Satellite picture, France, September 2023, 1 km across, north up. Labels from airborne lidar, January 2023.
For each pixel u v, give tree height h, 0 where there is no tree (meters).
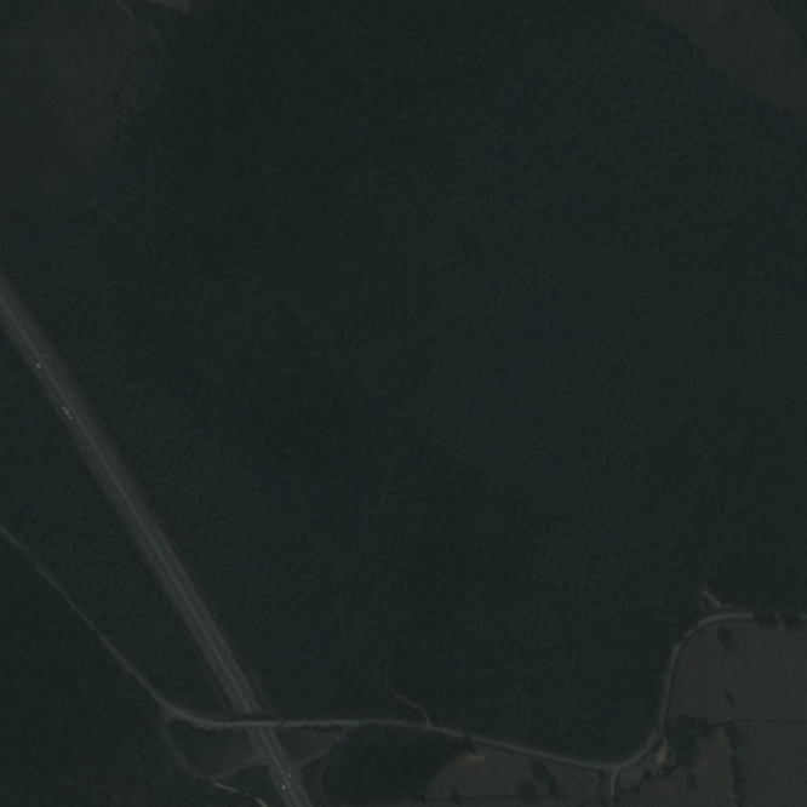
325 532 22
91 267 20
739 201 32
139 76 0
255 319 16
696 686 0
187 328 10
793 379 23
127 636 26
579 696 8
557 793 13
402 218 13
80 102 0
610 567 17
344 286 18
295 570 21
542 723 6
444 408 20
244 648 12
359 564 19
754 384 18
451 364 17
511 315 15
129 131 13
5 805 21
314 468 14
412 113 17
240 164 20
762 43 0
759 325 20
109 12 0
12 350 16
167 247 17
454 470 22
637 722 24
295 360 21
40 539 25
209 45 25
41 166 0
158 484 23
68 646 20
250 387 11
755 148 19
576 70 29
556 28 24
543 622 13
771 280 23
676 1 0
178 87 24
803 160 33
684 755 20
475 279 21
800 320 21
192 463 23
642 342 21
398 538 19
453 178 21
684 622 16
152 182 12
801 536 21
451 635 17
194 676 13
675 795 0
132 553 8
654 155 27
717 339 22
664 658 15
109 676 20
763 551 17
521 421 18
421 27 20
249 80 21
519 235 17
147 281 13
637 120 20
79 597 22
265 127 24
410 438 14
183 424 18
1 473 23
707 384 17
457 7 22
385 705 15
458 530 15
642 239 22
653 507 16
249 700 0
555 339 15
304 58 23
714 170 33
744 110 26
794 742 0
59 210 0
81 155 0
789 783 0
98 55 0
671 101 25
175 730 11
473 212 20
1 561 22
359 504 23
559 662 8
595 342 13
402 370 14
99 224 19
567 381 21
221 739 7
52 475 26
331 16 22
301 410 22
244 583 25
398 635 15
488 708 15
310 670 28
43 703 19
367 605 16
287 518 24
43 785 19
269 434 18
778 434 22
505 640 15
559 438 14
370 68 23
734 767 14
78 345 18
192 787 9
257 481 21
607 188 13
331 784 12
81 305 17
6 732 20
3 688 24
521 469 16
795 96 0
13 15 19
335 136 16
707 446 18
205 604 0
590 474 19
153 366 15
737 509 17
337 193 19
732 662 0
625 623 8
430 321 22
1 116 0
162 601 16
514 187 15
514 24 18
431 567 18
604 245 20
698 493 18
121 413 22
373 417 22
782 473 22
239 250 19
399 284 15
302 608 23
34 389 22
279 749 0
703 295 21
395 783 13
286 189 17
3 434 24
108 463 0
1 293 0
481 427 17
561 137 16
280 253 18
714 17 0
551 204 20
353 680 17
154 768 7
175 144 22
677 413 14
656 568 20
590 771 0
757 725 0
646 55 18
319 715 9
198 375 16
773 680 0
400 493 15
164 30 17
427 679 14
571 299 18
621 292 21
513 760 0
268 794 8
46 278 20
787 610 17
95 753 19
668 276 21
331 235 19
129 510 0
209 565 23
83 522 22
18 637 25
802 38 30
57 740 22
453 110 22
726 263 17
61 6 0
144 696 11
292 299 21
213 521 23
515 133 20
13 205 0
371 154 16
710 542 20
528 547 14
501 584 14
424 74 21
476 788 0
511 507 17
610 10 20
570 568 19
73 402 0
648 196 22
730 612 0
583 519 16
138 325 15
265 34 25
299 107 21
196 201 18
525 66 21
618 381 17
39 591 22
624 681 10
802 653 0
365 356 23
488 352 15
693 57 31
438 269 12
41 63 0
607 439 20
